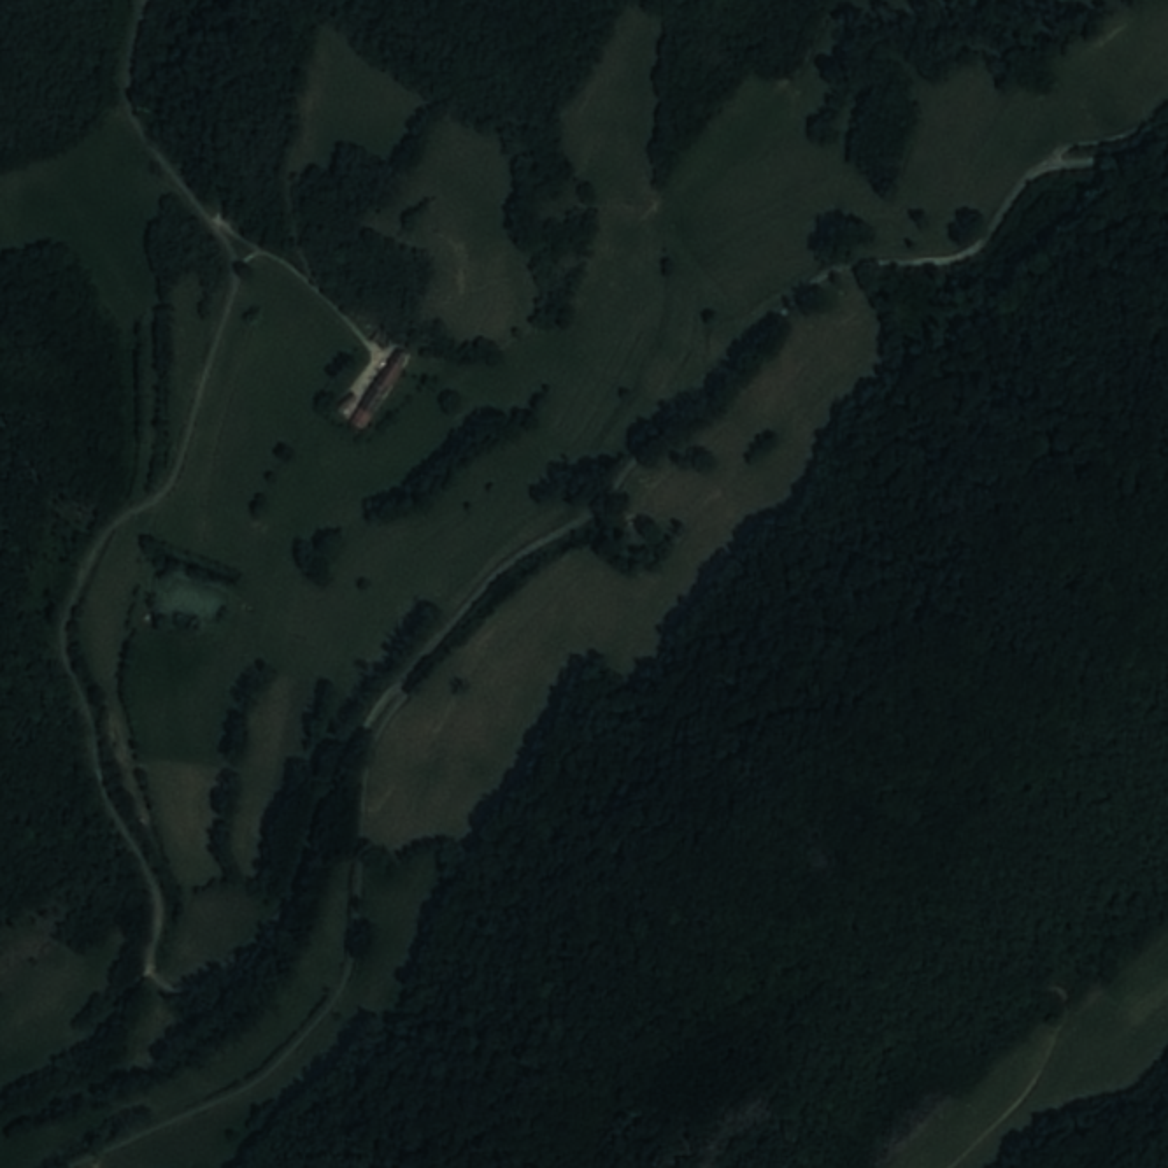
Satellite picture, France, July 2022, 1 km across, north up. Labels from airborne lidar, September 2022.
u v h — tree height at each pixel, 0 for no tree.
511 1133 26
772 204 0
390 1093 27
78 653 19
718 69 7
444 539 0
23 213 0
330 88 0
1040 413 31
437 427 0
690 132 20
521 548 0
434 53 8
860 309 0
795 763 22
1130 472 24
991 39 18
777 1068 14
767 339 24
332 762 23
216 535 0
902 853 21
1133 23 0
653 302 0
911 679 17
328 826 19
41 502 19
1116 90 0
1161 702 12
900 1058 16
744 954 19
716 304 0
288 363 0
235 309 0
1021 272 25
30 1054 0
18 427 15
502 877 27
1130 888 12
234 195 12
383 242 13
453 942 22
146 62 26
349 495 0
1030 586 21
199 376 0
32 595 19
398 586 0
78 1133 0
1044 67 18
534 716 0
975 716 20
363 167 17
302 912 15
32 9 13
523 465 0
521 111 11
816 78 0
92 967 0
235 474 0
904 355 20
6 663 23
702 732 21
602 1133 17
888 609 32
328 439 0
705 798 28
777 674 25
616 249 0
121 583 0
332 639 0
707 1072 22
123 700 10
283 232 7
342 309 8
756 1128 13
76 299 10
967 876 17
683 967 21
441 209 0
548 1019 24
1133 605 22
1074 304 21
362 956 18
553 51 12
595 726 33
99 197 0
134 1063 0
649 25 0
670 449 15
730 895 22
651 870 33
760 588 32
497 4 13
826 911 20
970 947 14
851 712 27
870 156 17
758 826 15
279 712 0
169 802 0
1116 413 23
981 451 29
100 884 11
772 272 0
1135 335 21
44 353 22
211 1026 24
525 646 0
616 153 0
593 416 0
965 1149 0
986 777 23
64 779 23
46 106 8
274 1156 21
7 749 18
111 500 12
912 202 0
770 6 26
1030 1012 18
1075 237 25
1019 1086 0
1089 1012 0
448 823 0
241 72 14
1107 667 17
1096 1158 23
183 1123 0
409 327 6
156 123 14
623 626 0
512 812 27
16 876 12
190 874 0
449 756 0
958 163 0
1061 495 29
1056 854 13
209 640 0
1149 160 22
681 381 0
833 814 18
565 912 28
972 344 28
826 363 0
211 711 0
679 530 13
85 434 12
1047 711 22
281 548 0
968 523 31
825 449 15
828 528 24
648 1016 17
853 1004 18
